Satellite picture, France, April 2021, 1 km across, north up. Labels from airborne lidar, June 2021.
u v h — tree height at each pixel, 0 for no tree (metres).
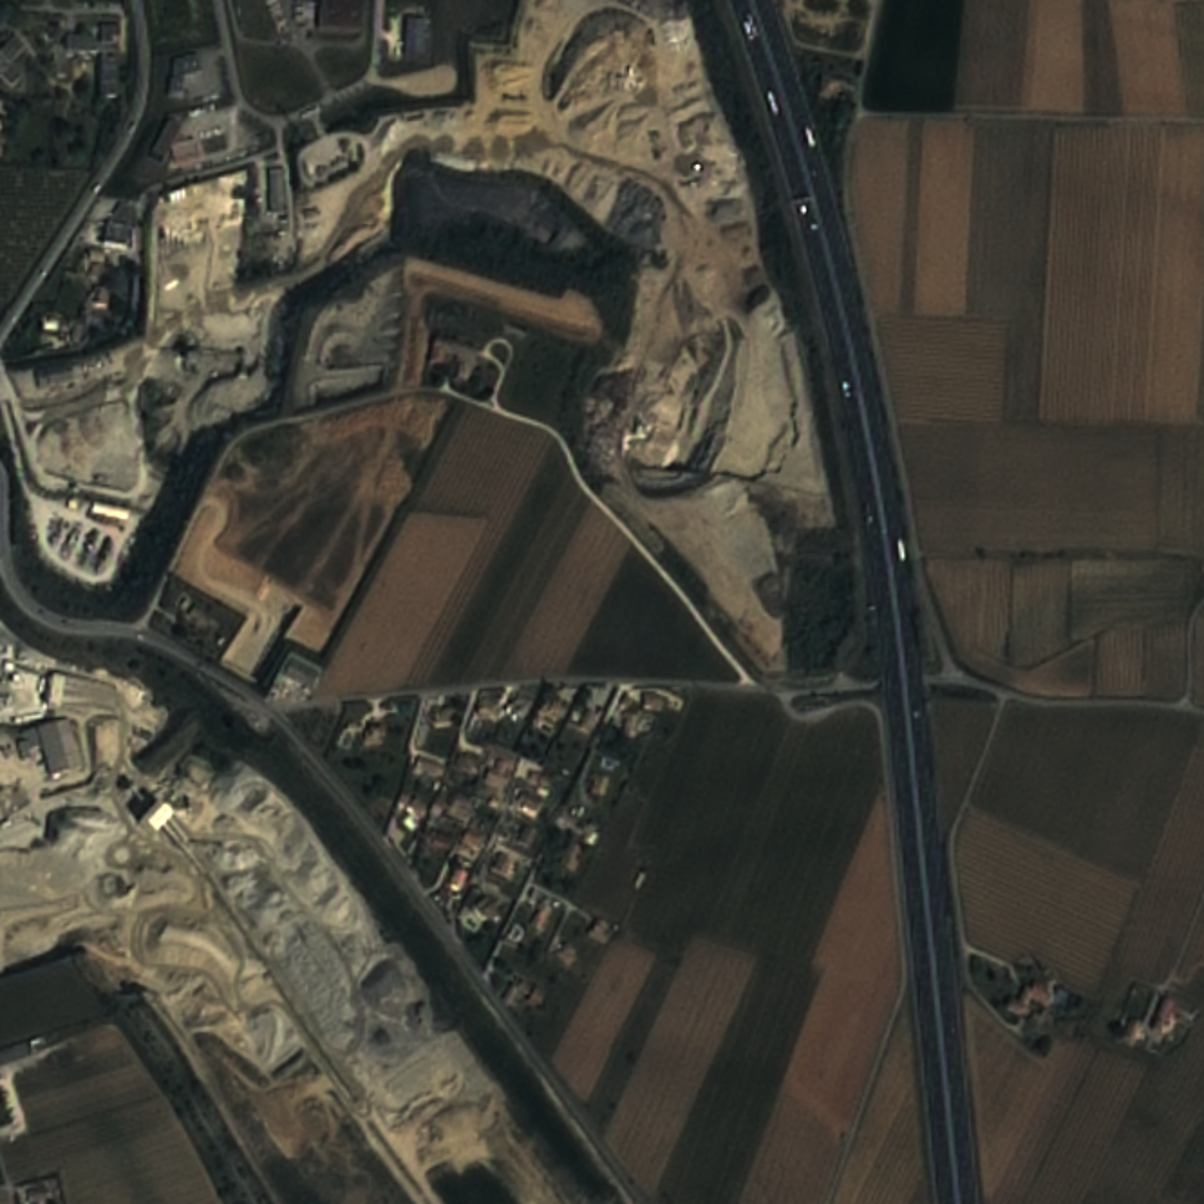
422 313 0
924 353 0
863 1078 0
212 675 0
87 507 0
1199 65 0
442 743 0
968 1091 0
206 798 0
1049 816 0
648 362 0
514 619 0
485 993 0
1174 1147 0
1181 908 0
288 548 0
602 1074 0
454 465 0
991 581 0
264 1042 0
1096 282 0
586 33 0
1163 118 0
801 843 0
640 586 0
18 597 0
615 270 10
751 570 0
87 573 0
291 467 0
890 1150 0
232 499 0
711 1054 0
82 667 0
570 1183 0
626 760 10
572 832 8
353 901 0
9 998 0
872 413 0
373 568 0
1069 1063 0
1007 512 0
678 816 0
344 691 0
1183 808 0
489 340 0
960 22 0
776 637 0
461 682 0
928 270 0
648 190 0
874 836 0
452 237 9
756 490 0
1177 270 0
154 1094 0
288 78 0
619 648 0
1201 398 0
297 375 0
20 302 0
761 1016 0
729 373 0
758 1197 0
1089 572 0
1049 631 0
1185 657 0
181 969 0
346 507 0
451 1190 0
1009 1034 0
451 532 0
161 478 0
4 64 0
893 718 0
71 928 0
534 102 0
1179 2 0
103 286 7
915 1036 0
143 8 0
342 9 0
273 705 0
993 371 0
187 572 0
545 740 8
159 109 0
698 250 0
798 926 0
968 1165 0
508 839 0
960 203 0
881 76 0
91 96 9
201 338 0
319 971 0
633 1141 0
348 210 0
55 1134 0
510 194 0
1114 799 0
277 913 0
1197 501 0
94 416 0
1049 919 0
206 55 0
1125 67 0
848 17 0
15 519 8
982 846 0
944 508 0
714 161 0
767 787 0
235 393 0
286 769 0
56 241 0
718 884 0
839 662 6
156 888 0
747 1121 0
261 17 0
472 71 0
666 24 0
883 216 0
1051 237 0
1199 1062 0
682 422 0
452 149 0
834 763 0
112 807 0
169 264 0
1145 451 0
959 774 0
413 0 0
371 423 0
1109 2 0
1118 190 0
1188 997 0
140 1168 0
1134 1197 0
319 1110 0
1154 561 0
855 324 0
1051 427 0
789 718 0
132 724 0
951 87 0
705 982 0
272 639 0
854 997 0
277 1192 0
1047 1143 0
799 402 0
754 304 0
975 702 0
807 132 0
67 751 0
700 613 0
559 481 0
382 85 0
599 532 0
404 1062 0
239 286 10
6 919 0
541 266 14
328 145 0
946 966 0
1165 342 0
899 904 0
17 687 0
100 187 0
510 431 0
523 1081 0
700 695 0
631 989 0
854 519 0
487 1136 0
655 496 0
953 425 0
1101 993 0
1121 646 0
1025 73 0
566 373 0
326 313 0
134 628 0
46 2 0
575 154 0
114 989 0
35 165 8
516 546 0
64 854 0
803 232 0
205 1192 0
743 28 0
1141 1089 0
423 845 8
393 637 0
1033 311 0
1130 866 0
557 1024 0
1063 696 0
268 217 0
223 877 0
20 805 0
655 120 0
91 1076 0
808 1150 0
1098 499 0
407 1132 0
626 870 0
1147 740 0
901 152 0
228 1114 0
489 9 0
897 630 0
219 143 0
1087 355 0
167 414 0
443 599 0
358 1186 0
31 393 0
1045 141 0
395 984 0
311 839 0
